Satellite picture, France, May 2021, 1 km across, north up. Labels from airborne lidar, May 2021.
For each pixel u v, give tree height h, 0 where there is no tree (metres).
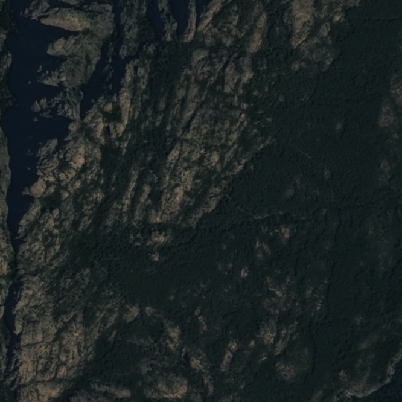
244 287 12
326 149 21
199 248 17
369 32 23
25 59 11
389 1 17
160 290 15
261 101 8
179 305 8
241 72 20
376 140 17
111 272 26
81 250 13
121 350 22
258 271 14
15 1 12
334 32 20
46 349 6
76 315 13
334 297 20
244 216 18
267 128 20
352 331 14
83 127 13
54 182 11
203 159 6
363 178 20
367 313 5
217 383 17
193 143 9
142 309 19
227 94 6
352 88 15
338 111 20
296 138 18
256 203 18
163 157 13
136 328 13
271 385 14
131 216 16
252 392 14
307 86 14
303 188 12
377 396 10
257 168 21
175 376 12
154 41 19
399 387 14
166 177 12
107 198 6
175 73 14
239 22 6
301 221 21
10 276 8
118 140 7
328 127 19
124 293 23
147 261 15
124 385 6
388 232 15
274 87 20
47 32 18
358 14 25
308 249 18
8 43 7
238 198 21
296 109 18
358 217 18
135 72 9
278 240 14
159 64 6
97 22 7
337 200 17
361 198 26
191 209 16
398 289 18
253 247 14
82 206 6
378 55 21
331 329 18
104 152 7
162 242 10
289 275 7
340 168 18
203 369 9
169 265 18
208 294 10
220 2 7
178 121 16
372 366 5
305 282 13
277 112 20
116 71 12
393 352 10
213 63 12
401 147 10
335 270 20
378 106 18
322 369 15
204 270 15
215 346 15
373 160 17
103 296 7
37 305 10
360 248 15
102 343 7
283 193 16
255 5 18
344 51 19
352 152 19
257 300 12
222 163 7
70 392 16
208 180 7
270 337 6
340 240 19
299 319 18
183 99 12
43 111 9
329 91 13
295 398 15
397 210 17
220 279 14
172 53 15
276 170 18
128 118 6
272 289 10
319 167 18
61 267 7
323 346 20
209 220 20
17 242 9
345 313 17
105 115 10
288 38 9
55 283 8
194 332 12
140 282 16
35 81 11
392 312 19
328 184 18
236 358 18
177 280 15
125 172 19
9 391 6
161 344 12
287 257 18
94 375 10
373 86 15
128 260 25
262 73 20
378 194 19
